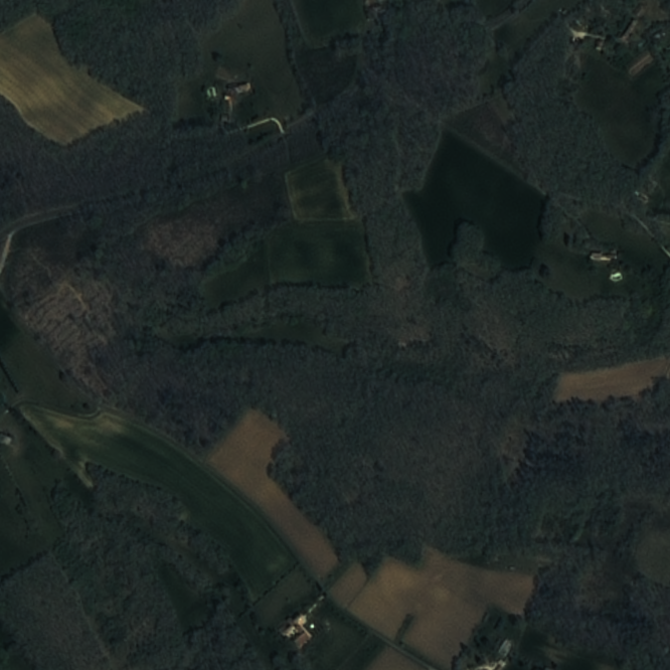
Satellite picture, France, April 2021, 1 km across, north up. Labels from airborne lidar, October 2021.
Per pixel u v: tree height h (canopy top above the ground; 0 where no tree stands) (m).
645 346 18
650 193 15
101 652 12
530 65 18
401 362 9
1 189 21
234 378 15
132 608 13
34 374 0
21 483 0
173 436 14
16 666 0
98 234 19
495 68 0
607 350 8
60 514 11
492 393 23
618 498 21
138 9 18
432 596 0
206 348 22
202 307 16
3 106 13
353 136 20
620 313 20
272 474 16
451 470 12
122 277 17
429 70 21
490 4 0
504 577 0
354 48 20
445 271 12
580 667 0
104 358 22
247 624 0
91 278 20
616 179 19
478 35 26
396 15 21
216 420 21
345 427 22
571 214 17
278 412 18
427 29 19
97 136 11
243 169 12
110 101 0
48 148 19
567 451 16
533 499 19
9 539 0
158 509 14
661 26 12
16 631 19
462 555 20
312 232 0
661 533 0
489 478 19
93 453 0
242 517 0
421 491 13
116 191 19
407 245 16
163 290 18
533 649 0
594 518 15
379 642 0
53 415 0
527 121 20
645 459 17
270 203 6
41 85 0
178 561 16
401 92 22
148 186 22
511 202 0
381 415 20
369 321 18
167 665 20
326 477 19
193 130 13
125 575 9
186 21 18
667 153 18
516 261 0
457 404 14
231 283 0
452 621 0
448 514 13
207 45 0
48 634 12
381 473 19
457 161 0
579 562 20
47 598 13
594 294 0
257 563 0
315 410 18
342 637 0
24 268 6
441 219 0
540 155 22
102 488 17
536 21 0
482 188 0
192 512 0
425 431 16
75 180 19
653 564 0
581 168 20
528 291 22
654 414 8
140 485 7
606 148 17
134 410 13
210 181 21
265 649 0
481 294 15
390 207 21
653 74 0
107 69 24
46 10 18
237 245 21
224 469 0
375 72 15
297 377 18
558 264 0
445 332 21
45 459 0
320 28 0
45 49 0
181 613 0
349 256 0
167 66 18
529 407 19
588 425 12
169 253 0
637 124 0
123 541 16
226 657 21
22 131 18
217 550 10
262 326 8
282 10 14
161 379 16
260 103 0
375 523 18
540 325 27
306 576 7
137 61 20
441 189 0
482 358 9
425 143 25
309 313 18
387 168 22
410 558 21
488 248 0
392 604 0
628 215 15
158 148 18
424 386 20
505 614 0
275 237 0
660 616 24
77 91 0
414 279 16
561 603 26
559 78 17
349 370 9
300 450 20
